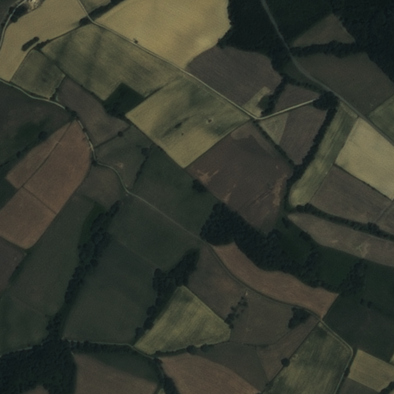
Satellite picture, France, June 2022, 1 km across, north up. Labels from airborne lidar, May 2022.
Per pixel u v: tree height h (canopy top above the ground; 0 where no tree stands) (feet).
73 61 0
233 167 0
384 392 42
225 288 0
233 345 0
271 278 0
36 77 0
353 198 0
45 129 0
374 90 0
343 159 0
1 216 0
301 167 52
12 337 0
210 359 0
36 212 0
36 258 0
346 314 0
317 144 25
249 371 0
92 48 0
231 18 46
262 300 0
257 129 0
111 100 0
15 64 0
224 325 0
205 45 0
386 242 0
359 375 0
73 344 45
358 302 0
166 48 0
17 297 0
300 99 0
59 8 0
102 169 0
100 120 0
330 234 0
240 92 0
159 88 0
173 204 0
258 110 0
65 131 0
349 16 35
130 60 0
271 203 0
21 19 0
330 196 0
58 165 0
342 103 0
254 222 0
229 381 0
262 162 0
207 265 0
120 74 0
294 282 0
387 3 22
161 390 0
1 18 0
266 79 0
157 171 0
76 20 0
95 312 0
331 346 0
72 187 0
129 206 0
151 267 0
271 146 0
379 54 92
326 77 0
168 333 0
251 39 36
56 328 57
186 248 0
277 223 0
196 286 0
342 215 0
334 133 0
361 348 0
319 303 0
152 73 0
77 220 0
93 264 53
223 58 0
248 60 0
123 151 0
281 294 0
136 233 0
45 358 51
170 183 0
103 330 0
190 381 0
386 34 95
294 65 0
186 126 0
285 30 23
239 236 73
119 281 0
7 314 0
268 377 0
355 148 0
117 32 0
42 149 0
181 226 0
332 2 50
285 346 0
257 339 0
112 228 0
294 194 0
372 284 0
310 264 76
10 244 0
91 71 0
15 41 0
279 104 0
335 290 28
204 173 0
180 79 0
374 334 0
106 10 25
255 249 67
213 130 0
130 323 0
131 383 0
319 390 0
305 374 0
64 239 0
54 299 0
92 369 0
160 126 0
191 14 0
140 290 0
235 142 0
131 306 0
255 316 0
